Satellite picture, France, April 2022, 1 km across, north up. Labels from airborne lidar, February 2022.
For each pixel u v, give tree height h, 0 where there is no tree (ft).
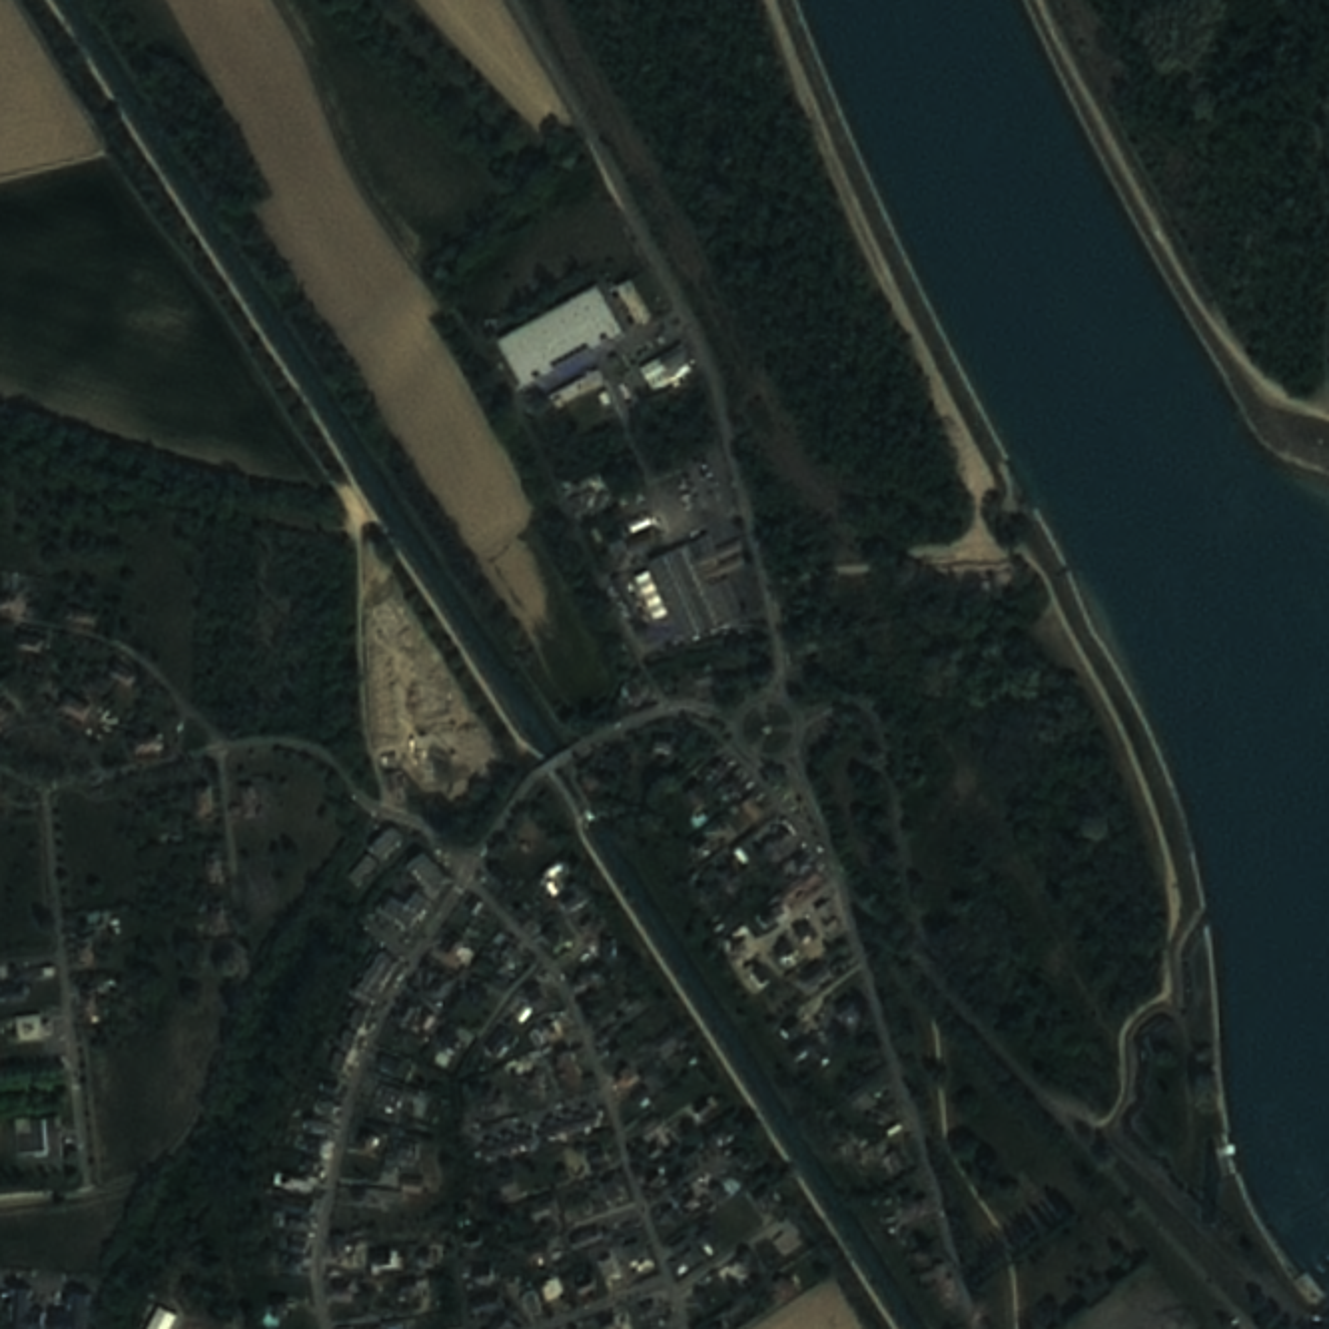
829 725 0
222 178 54
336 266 0
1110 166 0
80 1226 0
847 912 0
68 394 0
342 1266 0
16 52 0
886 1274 0
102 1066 0
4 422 67
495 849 35
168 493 36
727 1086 0
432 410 0
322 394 0
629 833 59
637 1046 0
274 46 0
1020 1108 66
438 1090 21
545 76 0
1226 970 0
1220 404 0
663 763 26
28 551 0
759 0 35
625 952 53
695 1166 23
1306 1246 0
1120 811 73
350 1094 0
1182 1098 0
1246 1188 0
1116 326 0
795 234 30
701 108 39
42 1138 0
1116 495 0
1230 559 0
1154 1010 0
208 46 0
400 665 0
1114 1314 0
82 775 53
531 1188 0
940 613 61
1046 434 0
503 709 0
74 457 68
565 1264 29
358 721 66
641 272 0
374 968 0
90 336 0
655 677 29
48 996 0
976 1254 64
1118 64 0
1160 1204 0
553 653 0
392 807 0
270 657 23
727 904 22
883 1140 0
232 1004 67
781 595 40
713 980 0
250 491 52
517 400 56
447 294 41
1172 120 68
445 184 0
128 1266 59
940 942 86
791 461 0
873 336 54
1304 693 0
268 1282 0
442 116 46
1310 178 46
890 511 66
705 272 0
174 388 0
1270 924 0
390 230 0
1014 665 72
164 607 0
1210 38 79
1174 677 0
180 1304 0
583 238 0
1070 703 67
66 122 0
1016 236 0
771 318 55
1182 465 0
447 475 0
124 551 40
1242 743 0
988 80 0
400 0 52
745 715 0
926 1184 0
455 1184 0
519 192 74
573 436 31
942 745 0
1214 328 0
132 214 0
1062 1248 0
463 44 0
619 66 31
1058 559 0
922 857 0
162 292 0
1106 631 0
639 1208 0
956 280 0
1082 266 0
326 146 0
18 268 0
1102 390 0
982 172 0
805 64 0
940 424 59
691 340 0
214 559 28
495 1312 27
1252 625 0
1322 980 0
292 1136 0
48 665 28
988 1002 73
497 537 0
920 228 0
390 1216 0
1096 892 57
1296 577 0
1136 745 0
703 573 0
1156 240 0
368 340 0
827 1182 0
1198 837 0
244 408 0
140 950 26
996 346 0
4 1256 0
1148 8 81
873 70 0
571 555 66
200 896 23
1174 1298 0
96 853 0
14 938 0
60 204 0
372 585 0
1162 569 0
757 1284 41
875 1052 23
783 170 76
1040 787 55
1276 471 0
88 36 0
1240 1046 0
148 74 44
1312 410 0
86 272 0
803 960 0
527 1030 0
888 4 0
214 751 0
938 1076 51
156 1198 68
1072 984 0
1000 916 76
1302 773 0
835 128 0
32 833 0
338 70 0
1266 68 68
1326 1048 0
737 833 0
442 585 0
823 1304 0
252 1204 39
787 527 74
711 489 0
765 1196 0
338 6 31
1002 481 0
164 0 0
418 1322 0
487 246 62
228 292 53
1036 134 0
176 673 0
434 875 0
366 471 0
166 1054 0
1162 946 48
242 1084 80
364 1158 0
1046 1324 60
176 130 70
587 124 0
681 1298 0
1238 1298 0
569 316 0
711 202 41
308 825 0
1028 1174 0
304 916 37
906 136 0
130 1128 0
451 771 59
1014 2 0
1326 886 0
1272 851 0
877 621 17
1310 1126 0
